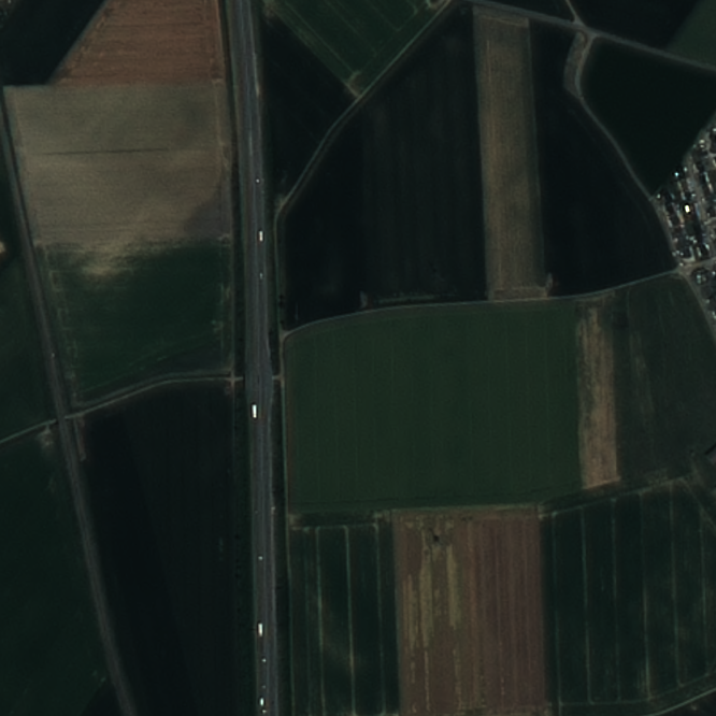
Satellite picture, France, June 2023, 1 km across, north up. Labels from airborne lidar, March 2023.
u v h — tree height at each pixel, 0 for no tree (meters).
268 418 0
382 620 0
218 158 0
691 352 0
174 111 0
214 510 0
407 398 0
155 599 0
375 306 0
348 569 0
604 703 0
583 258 0
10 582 0
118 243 0
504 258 0
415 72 0
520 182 0
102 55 0
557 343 0
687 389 0
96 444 0
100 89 0
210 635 0
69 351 0
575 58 0
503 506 0
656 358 0
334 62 0
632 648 0
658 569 0
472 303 0
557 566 0
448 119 0
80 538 0
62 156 0
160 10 0
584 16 0
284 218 0
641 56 0
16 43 0
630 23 0
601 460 0
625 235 0
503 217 0
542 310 0
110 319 0
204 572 0
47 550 0
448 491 0
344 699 0
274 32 0
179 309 0
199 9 0
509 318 0
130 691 0
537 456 0
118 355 0
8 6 0
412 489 0
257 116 0
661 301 0
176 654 0
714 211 6
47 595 0
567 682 0
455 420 0
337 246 0
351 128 0
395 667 0
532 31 0
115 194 0
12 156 0
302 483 0
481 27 0
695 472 0
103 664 0
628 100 0
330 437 0
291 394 0
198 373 0
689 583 0
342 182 0
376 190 0
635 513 0
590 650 0
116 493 0
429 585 0
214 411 0
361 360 0
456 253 0
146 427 0
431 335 0
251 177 0
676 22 0
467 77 0
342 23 0
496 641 0
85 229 0
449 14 0
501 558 0
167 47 0
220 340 0
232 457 0
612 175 0
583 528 0
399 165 0
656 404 0
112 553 0
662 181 0
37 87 0
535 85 0
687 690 0
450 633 0
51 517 0
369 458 0
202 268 0
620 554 0
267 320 0
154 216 0
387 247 0
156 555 0
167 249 0
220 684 0
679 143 0
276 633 0
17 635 0
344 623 0
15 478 0
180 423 0
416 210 0
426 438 0
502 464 0
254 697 0
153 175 0
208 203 0
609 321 0
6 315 0
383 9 0
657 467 0
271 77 0
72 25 0
